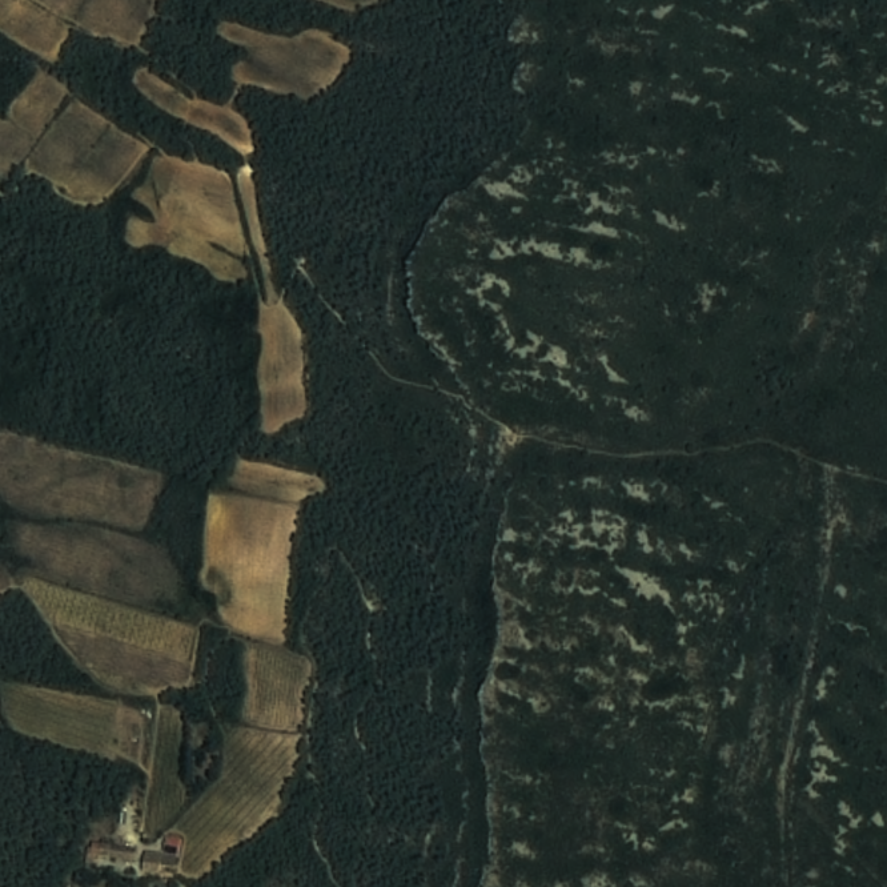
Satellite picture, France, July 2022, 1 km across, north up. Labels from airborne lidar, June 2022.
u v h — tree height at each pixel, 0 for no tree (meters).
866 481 0
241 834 0
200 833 0
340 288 10
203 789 6
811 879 0
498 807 0
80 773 11
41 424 8
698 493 6
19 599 11
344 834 8
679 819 0
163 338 10
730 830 0
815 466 0
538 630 0
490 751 0
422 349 0
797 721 0
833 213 0
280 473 0
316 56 0
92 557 0
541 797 0
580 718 0
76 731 0
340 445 8
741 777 0
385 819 12
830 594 0
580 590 0
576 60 6
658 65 6
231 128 0
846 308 0
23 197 14
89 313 15
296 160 9
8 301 14
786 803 0
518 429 0
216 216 0
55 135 0
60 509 0
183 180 0
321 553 7
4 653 12
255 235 0
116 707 0
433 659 10
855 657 0
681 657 0
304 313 7
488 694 0
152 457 9
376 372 0
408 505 9
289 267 7
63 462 0
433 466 10
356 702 12
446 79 11
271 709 0
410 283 10
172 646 0
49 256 12
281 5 9
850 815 0
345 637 12
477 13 14
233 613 0
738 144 10
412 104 11
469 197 0
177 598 0
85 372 15
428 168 7
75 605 0
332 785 9
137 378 13
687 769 0
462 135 8
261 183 8
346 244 8
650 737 0
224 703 15
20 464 0
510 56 10
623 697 0
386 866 10
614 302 0
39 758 14
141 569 0
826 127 0
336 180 12
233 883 11
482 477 6
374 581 13
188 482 8
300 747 11
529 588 0
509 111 6
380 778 8
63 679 8
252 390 10
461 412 8
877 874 0
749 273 7
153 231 0
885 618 0
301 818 7
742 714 0
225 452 11
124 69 11
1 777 11
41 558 0
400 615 11
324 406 9
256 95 9
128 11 0
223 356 11
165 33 12
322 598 7
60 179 0
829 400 6
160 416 9
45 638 11
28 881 10
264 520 0
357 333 8
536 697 0
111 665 0
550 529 0
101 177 0
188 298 10
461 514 11
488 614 6
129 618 0
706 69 0
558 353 0
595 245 7
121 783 16
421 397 0
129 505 0
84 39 11
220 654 8
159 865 0
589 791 0
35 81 0
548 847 0
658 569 6
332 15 11
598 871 0
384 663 9
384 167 12
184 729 8
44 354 12
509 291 0
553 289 7
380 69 13
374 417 9
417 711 11
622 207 0
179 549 6
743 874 0
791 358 5
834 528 0
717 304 7
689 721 0
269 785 0
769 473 0
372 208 6
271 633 0
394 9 9
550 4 8
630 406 0
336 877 8
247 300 7
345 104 11
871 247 0
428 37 16
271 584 0
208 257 0
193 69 13
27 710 0
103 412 12
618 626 0
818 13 9
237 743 0
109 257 10
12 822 11
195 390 14
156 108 10
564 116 8
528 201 0
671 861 0
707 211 0
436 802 13
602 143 9
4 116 7
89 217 13
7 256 12
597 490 0
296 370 0
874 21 7
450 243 0
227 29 0
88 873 11
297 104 12
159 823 0
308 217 7
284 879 12
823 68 0
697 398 0
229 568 0
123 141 0
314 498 11
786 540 0
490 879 0
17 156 0
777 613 0
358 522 12
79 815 14
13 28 0
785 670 8
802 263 7
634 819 0
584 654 0
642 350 0
